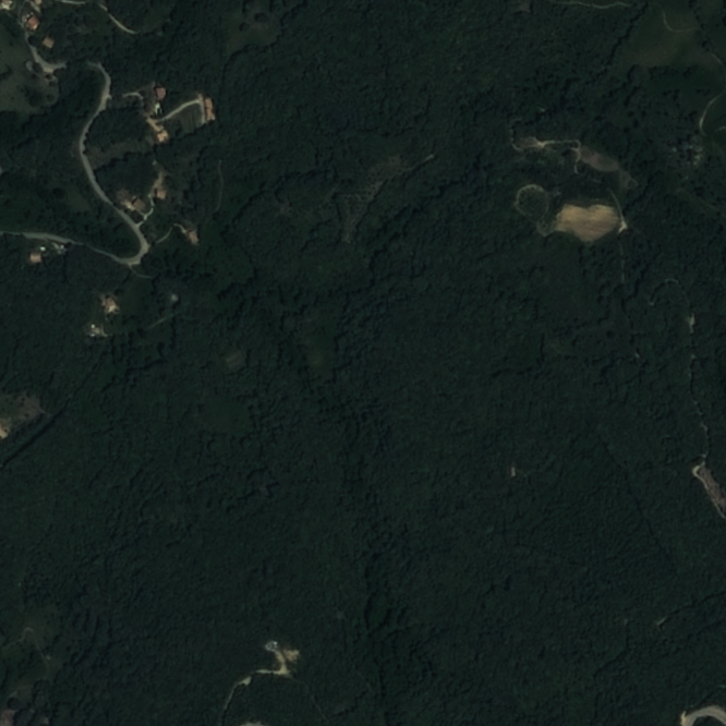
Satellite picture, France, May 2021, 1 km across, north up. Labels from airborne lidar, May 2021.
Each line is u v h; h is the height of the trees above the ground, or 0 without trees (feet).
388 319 48
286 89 32
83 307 41
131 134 46
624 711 34
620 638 38
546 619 57
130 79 32
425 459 46
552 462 42
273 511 42
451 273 42
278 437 39
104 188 33
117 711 45
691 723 0
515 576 50
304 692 33
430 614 35
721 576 67
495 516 32
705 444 32
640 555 22
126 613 49
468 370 50
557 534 20
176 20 56
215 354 42
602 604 39
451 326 45
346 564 42
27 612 22
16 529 37
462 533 36
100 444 43
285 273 48
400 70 44
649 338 48
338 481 52
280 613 40
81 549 20
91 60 31
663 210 39
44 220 31
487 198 47
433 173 59
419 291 40
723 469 55
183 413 31
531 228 34
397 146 35
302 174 32
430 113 37
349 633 48
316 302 45
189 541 37
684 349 41
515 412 52
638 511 18
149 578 39
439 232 39
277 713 20
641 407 40
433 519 42
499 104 43
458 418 52
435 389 46
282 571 38
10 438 28
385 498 52
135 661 48
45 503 26
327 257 45
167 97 29
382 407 51
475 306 46
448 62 43
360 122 32
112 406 38
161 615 34
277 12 43
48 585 45
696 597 51
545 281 37
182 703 31
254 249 35
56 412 20
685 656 53
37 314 43
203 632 30
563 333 31
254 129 27
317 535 46
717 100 0
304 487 39
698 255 30
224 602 32
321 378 37
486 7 38
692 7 28
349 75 34
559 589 42
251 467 32
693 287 42
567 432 34
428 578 36
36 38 34
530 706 49
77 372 31
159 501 38
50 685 23
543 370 28
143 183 48
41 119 50
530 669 41
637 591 23
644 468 39
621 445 57
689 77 38
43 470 43
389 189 39
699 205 0
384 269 66
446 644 44
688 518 34
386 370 41
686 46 0
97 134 32
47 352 35
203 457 45
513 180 41
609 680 26
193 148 43
